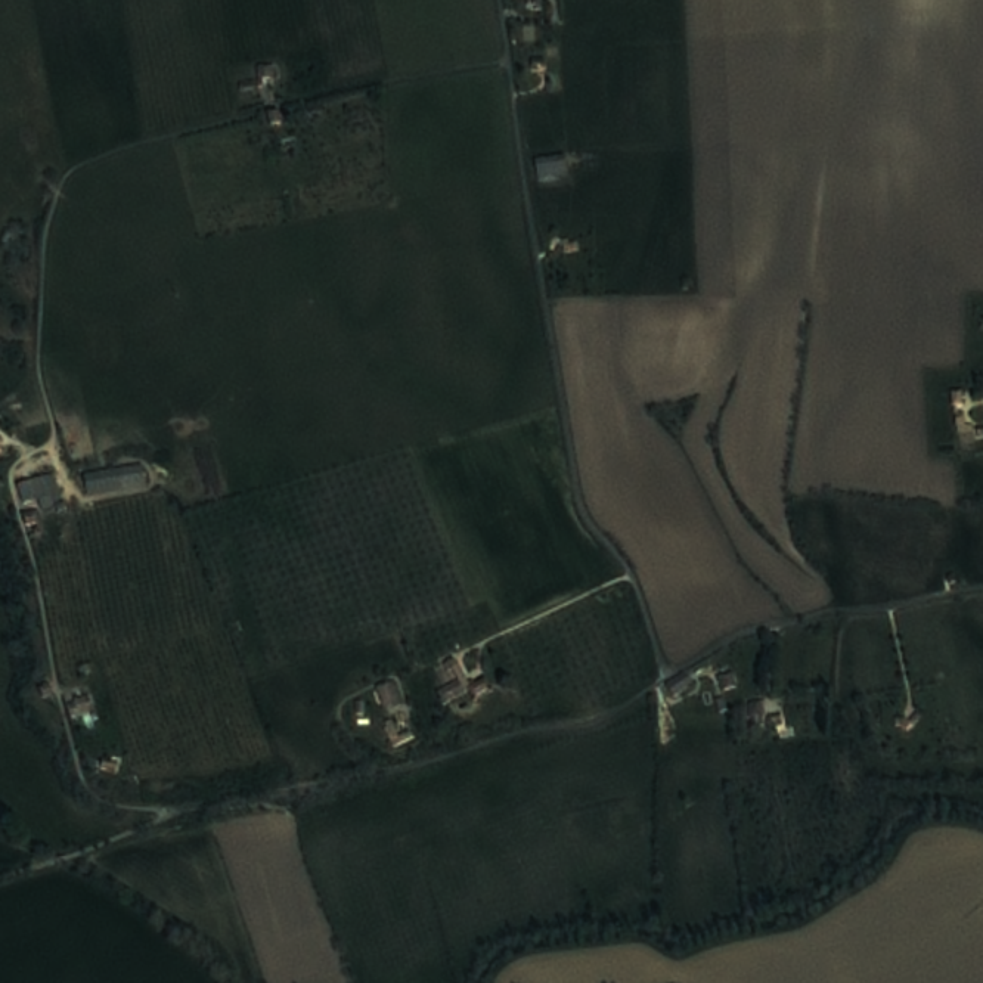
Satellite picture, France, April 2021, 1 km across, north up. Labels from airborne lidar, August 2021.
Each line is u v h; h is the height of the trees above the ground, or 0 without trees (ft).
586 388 0
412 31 0
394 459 23
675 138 0
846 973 0
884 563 0
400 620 29
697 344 0
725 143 0
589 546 0
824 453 0
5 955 0
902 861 0
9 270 37
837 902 67
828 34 0
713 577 0
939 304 0
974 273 0
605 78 0
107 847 27
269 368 0
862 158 0
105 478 0
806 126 0
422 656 30
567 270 18
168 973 0
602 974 0
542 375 0
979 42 0
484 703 0
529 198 0
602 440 0
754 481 0
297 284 0
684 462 0
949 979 0
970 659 0
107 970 0
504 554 0
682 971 0
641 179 0
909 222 0
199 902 0
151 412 0
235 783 18
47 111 0
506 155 0
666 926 82
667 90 0
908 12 0
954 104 0
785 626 0
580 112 0
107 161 0
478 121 0
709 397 0
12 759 0
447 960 19
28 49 0
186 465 0
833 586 0
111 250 0
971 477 0
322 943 0
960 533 0
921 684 24
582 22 0
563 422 0
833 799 28
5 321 0
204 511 29
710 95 0
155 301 0
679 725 0
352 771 37
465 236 0
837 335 0
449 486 0
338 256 0
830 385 0
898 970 0
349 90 31
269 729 20
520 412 0
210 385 0
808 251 0
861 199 0
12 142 0
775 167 0
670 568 0
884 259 0
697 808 0
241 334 0
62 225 0
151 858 0
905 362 0
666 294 0
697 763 0
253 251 0
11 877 33
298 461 0
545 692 33
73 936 0
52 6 0
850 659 0
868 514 0
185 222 0
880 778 41
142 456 36
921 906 0
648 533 0
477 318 0
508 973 0
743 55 0
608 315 0
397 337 0
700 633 0
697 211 0
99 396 0
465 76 0
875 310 0
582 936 72
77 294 0
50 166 0
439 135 0
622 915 0
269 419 0
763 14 0
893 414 0
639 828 0
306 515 30
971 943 0
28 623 41
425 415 0
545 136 0
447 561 34
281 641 25
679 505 0
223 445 0
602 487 0
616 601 39
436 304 0
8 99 0
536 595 0
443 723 65
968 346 0
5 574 17
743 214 0
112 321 0
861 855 18
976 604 0
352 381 0
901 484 0
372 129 30
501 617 0
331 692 0
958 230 0
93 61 0
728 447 0
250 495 20
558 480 0
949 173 0
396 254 0
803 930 0
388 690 0
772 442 0
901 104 0
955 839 0
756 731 40
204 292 0
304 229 0
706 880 0
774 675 50
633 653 37
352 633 24
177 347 0
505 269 0
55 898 0
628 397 0
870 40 0
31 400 0
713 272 0
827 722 87
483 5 0
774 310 0
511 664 26
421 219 0
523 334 0
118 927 0
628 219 0
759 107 0
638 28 0
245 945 0
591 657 33
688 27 0
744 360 0
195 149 0
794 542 30
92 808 67
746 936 85
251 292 0
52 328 0
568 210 0
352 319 0
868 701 37
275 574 25
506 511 0
